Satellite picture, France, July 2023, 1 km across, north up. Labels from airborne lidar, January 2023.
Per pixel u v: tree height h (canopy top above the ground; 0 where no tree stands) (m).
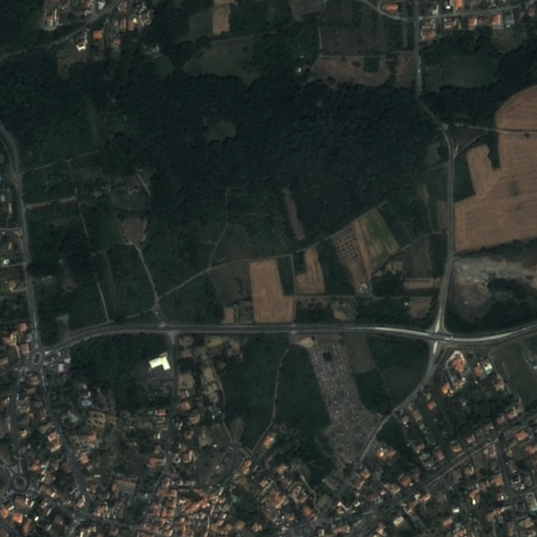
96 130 0
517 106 0
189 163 19
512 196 0
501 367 0
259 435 7
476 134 0
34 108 21
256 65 7
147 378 0
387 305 6
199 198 10
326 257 8
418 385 0
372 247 0
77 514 0
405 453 10
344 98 25
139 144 13
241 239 0
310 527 0
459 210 0
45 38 11
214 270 0
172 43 13
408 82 0
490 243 0
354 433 0
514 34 0
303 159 20
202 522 0
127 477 0
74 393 9
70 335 0
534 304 0
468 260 0
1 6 12
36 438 15
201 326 0
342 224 16
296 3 0
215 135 0
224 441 0
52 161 9
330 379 0
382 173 14
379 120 14
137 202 0
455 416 8
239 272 0
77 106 13
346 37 0
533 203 0
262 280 0
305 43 6
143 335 12
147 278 6
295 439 8
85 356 12
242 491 0
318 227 13
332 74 0
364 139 16
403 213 5
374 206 11
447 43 9
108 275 0
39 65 21
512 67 17
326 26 6
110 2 8
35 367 0
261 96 23
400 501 0
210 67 0
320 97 26
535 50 22
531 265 0
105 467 0
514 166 0
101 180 11
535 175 0
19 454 0
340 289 8
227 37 12
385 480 8
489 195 0
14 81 22
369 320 12
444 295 0
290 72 15
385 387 12
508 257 0
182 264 6
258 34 9
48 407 0
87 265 14
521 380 0
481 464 0
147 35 17
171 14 18
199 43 13
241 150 19
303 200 15
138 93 22
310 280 0
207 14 0
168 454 0
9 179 0
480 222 0
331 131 28
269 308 0
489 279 0
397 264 0
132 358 7
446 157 11
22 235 0
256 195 10
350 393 0
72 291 11
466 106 16
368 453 0
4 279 0
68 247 18
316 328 0
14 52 12
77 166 7
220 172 13
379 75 0
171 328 0
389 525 11
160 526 0
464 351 0
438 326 0
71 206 5
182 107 22
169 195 12
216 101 21
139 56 16
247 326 0
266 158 20
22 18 13
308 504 8
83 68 15
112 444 0
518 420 6
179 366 7
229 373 6
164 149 21
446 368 0
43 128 12
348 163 18
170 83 13
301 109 26
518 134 0
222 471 0
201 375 10
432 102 21
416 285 0
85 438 0
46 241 6
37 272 13
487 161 0
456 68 0
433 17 0
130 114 7
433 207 8
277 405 8
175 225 7
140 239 0
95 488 0
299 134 25
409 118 25
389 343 6
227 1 0
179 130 20
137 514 6
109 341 9
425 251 0
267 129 19
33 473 6
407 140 18
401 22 8
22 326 0
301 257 8
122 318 14
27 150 12
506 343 0
